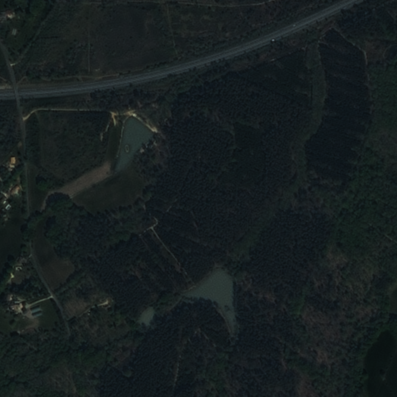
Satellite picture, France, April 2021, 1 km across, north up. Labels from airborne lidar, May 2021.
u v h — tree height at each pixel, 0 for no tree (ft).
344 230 51
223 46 27
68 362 46
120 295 66
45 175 21
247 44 0
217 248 41
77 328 52
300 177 68
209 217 69
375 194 70
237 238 67
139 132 0
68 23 21
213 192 70
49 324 0
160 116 68
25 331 0
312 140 38
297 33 23
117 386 61
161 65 25
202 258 67
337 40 39
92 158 22
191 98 64
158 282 41
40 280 26
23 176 46
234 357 84
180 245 31
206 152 72
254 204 74
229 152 73
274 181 71
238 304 60
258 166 37
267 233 77
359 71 43
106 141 25
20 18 0
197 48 27
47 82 0
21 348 31
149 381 68
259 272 76
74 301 50
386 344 0
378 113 50
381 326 75
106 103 69
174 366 23
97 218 37
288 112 73
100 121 35
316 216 43
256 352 70
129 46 0
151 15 0
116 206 0
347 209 38
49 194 0
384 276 45
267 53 33
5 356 19
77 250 51
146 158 31
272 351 70
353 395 73
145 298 75
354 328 56
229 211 63
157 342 64
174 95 33
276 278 74
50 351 59
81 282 41
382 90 58
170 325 63
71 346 49
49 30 23
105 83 0
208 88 64
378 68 47
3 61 0
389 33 51
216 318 67
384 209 29
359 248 64
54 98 0
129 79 0
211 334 38
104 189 0
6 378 52
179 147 64
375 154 26
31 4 64
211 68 21
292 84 41
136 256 62
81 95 0
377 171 64
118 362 39
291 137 71
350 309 41
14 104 0
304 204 55
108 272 54
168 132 67
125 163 0
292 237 75
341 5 0
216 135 73
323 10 0
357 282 45
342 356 56
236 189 31
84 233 68
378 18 25
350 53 29
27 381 41
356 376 71
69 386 33
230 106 77
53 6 32
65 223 62
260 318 66
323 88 54
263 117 76
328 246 55
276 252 68
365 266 41
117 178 0
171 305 44
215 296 0
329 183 35
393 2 28
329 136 43
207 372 58
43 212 23
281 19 26
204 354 66
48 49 19
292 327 58
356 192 26
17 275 0
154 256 40
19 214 0
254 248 54
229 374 71
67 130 24
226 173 33
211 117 45
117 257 65
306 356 45
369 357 0
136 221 51
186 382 40
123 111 42
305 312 56
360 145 46
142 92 24
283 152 74
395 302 0
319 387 51
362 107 44
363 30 75
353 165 35
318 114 61
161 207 31
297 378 73
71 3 29
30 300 26
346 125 41
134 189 0
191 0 33
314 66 52
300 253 64
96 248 72
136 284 75
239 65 24
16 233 0
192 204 68
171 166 68
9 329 0
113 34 0
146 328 62
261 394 74
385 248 22
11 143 48
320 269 43
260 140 39
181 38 0
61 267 0
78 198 0
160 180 47
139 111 66
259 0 70
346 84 43
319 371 52
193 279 57
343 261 34
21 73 27
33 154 21
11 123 21
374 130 55
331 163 42
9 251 0
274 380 73
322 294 43
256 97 70
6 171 49
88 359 83
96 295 57
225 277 0
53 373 47
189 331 60
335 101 40
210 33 18
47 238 53
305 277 60
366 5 28
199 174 63
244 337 71
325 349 46
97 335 70
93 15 0
